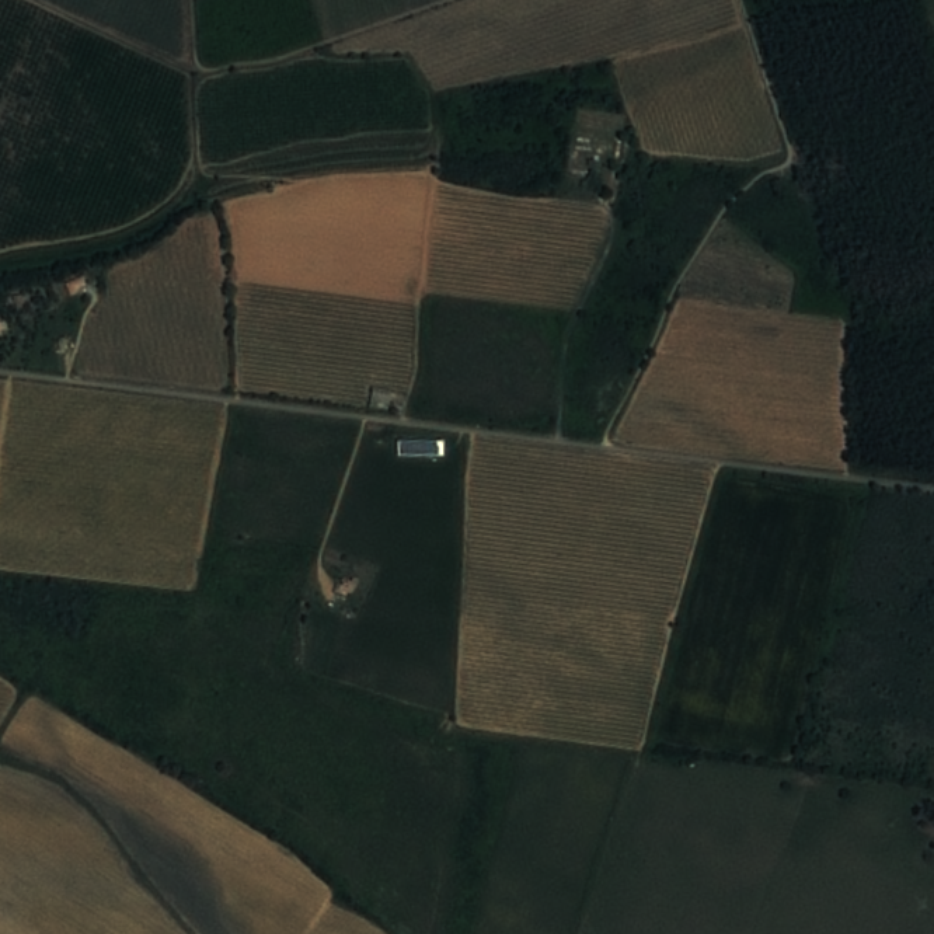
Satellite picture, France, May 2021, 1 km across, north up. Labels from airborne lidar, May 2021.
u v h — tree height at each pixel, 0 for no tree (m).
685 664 0
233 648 0
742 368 0
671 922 0
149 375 0
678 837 0
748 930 0
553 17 0
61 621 8
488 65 0
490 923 0
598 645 0
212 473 0
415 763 0
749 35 0
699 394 0
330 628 0
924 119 18
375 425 0
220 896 0
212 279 0
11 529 0
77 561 0
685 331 0
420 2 0
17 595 7
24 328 7
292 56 0
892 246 13
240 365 0
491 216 0
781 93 13
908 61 20
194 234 0
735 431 0
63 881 0
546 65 0
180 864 0
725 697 0
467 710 0
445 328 0
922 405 15
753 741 0
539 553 0
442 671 0
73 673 0
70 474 0
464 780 0
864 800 0
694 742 0
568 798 0
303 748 0
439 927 0
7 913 0
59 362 0
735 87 0
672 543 0
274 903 0
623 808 0
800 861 0
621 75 0
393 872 0
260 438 0
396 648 0
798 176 18
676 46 0
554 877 0
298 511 0
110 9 0
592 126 0
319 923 0
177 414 0
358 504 0
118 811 0
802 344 0
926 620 7
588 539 0
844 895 0
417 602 0
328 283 0
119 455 0
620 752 0
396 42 0
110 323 0
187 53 0
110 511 0
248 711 0
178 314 0
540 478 0
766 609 0
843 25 21
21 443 0
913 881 0
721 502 0
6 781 0
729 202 11
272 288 0
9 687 0
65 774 0
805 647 0
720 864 0
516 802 0
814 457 0
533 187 10
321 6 0
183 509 0
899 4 21
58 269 11
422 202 0
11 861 0
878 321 14
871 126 9
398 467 0
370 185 0
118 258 11
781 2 9
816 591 0
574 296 0
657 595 0
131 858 0
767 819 0
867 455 17
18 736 0
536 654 0
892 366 13
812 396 0
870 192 17
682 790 0
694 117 0
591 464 0
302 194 0
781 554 0
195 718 0
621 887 0
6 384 0
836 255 19
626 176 14
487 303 0
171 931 0
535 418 0
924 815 23
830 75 20
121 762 0
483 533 0
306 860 6
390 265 0
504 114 8
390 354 0
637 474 0
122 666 0
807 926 0
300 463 0
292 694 0
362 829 0
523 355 0
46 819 0
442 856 0
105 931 0
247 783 0
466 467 0
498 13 0
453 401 0
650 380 0
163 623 0
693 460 0
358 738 0
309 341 0
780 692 0
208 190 0
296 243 0
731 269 0
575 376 0
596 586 0
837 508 0
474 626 0
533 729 0
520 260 0
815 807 0
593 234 0
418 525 0
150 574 0
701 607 0
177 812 0
